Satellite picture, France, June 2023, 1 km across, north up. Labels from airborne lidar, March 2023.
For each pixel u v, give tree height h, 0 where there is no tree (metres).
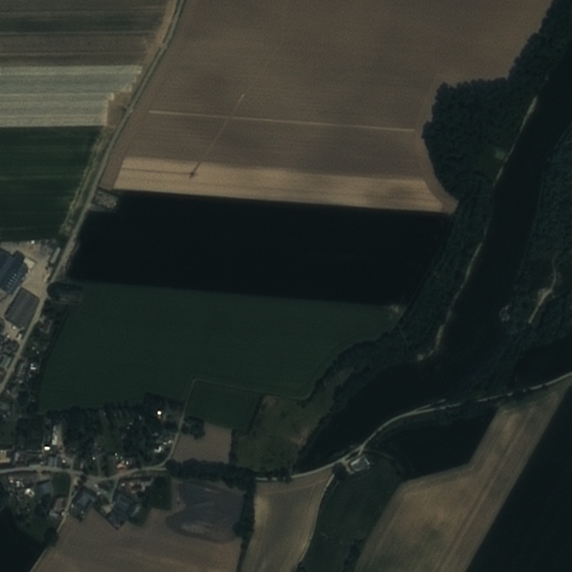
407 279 0
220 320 0
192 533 0
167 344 0
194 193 0
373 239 0
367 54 0
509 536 0
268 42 0
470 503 0
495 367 16
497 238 0
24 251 0
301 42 0
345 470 17
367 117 0
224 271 0
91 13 0
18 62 0
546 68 10
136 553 0
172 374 0
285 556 0
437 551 0
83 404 0
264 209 0
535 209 0
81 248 0
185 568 0
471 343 0
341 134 0
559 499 0
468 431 0
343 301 0
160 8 0
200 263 0
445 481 0
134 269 0
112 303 0
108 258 0
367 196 0
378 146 0
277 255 0
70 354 0
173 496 0
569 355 0
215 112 0
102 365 0
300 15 0
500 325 0
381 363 14
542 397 0
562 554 0
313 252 0
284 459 0
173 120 0
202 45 0
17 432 9
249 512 10
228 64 0
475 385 10
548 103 0
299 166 0
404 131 0
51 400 0
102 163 0
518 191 0
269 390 0
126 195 0
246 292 0
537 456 0
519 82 17
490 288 0
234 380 0
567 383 0
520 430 0
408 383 0
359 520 0
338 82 0
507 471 0
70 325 0
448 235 8
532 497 0
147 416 22
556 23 14
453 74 0
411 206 0
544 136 0
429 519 0
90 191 0
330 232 0
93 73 0
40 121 0
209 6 0
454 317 0
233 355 0
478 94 24
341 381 0
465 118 26
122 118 0
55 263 0
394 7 0
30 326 0
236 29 0
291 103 0
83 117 0
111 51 0
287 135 0
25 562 0
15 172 0
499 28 0
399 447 0
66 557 0
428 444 0
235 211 0
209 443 0
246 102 0
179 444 0
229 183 0
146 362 0
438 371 0
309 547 0
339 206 0
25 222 0
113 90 0
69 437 9
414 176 0
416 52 0
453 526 0
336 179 0
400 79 0
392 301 0
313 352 0
